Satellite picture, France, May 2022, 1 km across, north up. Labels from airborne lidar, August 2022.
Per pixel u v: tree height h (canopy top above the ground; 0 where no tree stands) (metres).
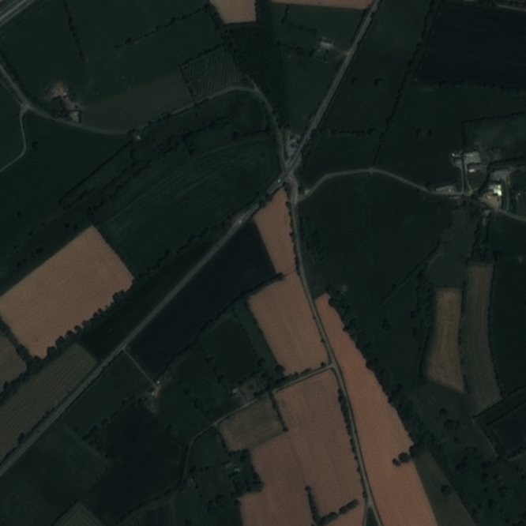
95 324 17
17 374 0
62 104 8
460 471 20
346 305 12
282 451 0
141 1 0
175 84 0
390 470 0
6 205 0
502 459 14
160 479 0
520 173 7
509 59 0
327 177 0
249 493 14
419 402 0
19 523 0
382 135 10
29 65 0
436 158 0
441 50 0
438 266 0
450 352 0
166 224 0
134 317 0
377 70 0
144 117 0
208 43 0
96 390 0
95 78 0
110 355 0
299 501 0
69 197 8
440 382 0
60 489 0
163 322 0
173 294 0
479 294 0
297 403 0
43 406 0
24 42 0
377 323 0
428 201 0
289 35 0
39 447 0
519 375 0
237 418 0
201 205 0
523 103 0
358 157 0
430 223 0
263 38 9
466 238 0
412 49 0
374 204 0
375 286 0
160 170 0
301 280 0
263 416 0
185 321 0
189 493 0
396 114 6
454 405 0
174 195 0
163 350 0
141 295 0
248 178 0
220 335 0
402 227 0
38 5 0
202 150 0
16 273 0
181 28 0
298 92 0
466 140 9
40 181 0
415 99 0
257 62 11
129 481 0
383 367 8
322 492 0
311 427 0
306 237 14
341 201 0
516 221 0
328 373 0
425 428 19
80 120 8
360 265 0
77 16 0
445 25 0
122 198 0
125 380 0
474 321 0
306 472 0
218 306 0
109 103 0
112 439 0
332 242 0
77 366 0
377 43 0
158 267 14
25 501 0
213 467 0
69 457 0
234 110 0
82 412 0
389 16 0
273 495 0
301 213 0
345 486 0
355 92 0
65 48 0
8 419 0
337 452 0
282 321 0
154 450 0
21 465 0
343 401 16
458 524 0
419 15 0
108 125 0
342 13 0
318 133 13
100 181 0
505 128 0
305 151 13
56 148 0
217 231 12
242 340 0
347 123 0
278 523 0
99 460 0
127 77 0
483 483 15
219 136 0
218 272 0
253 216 7
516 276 0
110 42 0
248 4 0
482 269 0
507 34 0
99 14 0
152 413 0
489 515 0
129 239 0
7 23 0
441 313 0
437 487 0
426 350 9
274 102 9
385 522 0
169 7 0
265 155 0
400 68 0
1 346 0
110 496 0
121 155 7
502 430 0
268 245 0
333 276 0
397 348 0
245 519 0
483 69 0
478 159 0
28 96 11
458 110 0
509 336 0
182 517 0
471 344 0
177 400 0
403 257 0
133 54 0
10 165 0
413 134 0
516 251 0
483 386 0
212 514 16
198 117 6
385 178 0
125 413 0
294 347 0
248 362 0
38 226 0
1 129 0
